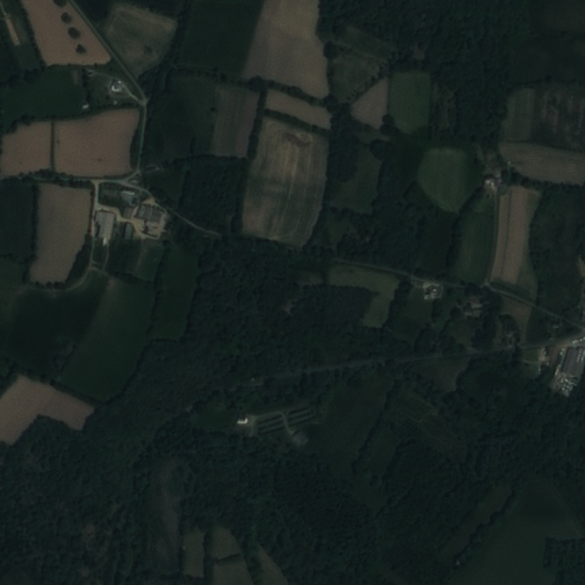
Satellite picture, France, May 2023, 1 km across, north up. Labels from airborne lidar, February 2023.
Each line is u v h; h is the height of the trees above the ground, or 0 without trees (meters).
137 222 0
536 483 0
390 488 19
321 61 0
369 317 0
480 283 0
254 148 11
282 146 0
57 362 8
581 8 0
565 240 0
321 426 0
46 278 0
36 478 13
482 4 19
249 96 0
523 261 0
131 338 0
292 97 12
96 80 0
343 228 0
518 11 18
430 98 0
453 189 0
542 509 0
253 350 22
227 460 15
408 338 0
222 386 18
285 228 0
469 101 25
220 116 0
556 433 13
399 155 0
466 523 11
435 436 0
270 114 12
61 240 0
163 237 0
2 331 0
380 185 12
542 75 0
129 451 20
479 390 0
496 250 0
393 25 10
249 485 19
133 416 12
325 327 24
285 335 11
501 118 19
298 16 0
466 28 6
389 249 21
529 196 0
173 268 0
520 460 19
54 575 13
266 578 0
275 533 22
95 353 0
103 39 0
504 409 8
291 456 9
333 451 0
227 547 0
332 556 20
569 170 0
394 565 10
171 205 14
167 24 0
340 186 0
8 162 0
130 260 0
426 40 13
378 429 15
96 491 15
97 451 18
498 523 19
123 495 18
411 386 21
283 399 13
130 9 0
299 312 13
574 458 12
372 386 0
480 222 0
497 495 0
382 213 20
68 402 0
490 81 18
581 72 0
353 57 13
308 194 0
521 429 10
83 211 0
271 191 0
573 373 0
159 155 0
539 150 0
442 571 9
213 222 10
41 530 11
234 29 0
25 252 0
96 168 0
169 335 0
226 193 6
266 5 0
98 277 0
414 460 17
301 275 0
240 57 0
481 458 23
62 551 9
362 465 11
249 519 22
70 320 0
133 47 0
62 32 0
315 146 0
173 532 0
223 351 8
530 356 0
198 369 17
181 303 0
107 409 19
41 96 0
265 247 18
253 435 0
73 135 0
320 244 0
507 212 0
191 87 0
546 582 0
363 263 11
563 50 0
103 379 0
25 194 0
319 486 21
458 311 15
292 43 0
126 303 0
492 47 22
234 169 13
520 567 0
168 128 0
